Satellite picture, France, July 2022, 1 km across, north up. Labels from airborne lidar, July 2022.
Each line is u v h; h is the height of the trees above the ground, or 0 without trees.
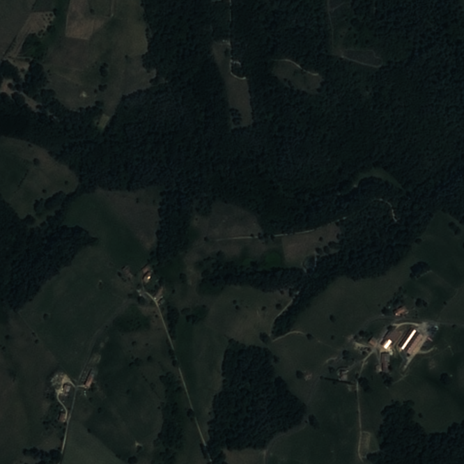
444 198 16
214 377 0
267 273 22
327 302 0
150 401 0
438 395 0
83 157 23
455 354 0
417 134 19
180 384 9
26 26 0
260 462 0
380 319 0
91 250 0
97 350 0
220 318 0
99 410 8
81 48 0
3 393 0
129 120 7
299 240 0
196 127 14
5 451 0
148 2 10
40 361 0
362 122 19
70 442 0
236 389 7
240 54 18
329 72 16
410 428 18
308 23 21
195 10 20
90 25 0
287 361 0
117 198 0
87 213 0
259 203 8
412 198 26
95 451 0
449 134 7
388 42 6
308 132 14
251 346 9
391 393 0
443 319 0
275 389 21
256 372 19
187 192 6
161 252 17
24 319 0
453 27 8
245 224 0
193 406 0
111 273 0
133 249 0
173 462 6
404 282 0
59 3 0
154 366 0
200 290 0
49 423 6
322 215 22
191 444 0
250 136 20
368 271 20
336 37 0
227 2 8
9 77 21
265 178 22
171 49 23
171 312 9
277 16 19
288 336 0
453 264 0
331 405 0
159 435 13
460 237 0
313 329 0
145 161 20
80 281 0
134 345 8
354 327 0
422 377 0
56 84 0
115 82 0
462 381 0
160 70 17
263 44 15
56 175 0
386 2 11
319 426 17
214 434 20
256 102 13
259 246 0
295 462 0
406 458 13
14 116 8
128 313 0
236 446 18
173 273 0
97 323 0
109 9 0
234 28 13
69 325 0
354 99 10
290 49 21
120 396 0
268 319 0
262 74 22
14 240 22
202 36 13
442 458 22
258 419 8
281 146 25
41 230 25
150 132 11
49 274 18
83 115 16
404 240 19
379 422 0
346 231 7
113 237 0
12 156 0
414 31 21
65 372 0
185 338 0
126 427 0
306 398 0
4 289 19
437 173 15
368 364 0
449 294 0
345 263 18
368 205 13
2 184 0
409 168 14
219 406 13
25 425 0
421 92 14
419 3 12
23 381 0
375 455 17
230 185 6
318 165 21
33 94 18
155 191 0
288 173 23
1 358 0
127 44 0
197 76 25
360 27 20
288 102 6
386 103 10
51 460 9
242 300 0
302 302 24
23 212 0
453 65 25
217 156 18
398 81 9
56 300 0
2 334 0
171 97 13
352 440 0
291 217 8
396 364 0
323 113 13
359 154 15
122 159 17
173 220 28
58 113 19
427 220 14
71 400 0
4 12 0
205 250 0
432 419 0
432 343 0
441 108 23
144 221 0
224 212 0
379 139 21
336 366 0
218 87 16
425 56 18
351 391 0
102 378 0
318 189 10
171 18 19
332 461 0
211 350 0
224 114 19
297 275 13
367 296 0
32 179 0
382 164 22
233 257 0
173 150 20
